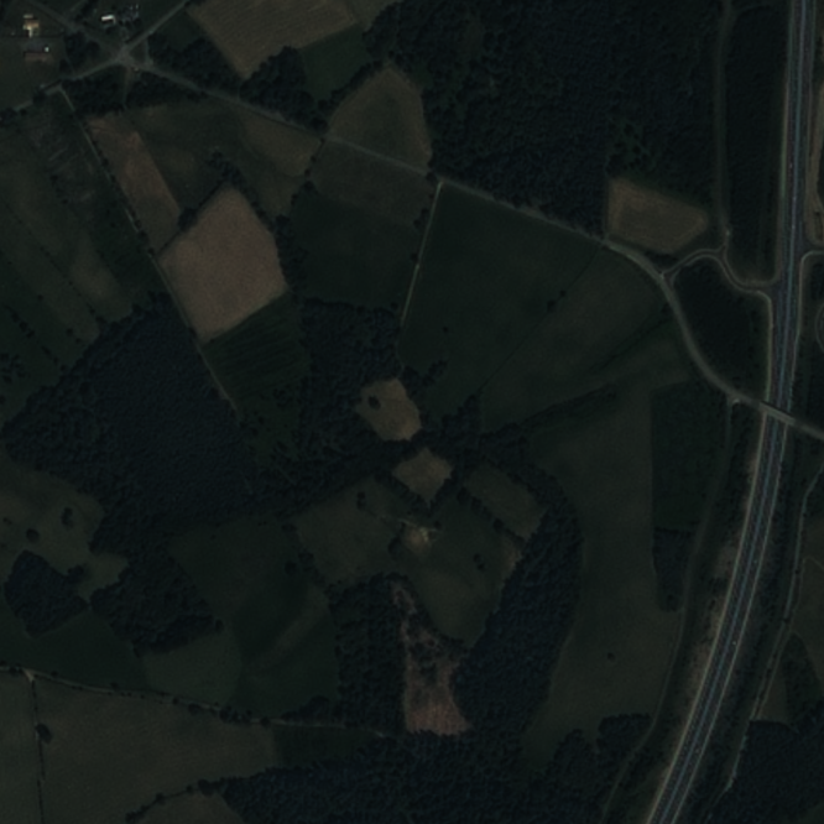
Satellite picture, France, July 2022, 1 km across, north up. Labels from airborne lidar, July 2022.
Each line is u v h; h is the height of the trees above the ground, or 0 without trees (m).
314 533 0
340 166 0
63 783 0
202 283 0
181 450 19
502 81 11
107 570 0
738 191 9
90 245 0
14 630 0
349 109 0
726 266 0
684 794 0
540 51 18
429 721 0
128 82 0
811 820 0
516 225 0
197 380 21
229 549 0
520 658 22
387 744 16
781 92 0
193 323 0
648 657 0
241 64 0
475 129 16
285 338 0
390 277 0
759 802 18
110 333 16
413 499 8
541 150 8
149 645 20
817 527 0
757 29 11
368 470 13
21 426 13
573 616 9
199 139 0
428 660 9
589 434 0
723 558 0
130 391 18
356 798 27
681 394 0
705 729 0
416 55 8
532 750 0
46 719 0
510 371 0
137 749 0
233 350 0
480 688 26
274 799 25
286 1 0
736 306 7
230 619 0
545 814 20
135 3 0
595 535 0
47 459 17
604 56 23
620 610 0
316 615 0
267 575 0
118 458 17
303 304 14
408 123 0
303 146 0
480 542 0
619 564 0
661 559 14
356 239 0
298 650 0
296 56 14
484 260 0
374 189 0
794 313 0
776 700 0
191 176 0
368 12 0
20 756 0
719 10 23
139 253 7
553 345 0
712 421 0
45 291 0
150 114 0
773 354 0
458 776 18
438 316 0
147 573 15
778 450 0
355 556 0
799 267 0
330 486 18
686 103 19
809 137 0
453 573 0
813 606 0
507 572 0
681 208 0
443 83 9
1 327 0
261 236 0
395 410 0
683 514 0
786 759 19
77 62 18
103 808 0
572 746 13
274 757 0
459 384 0
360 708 17
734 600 0
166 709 0
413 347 0
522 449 16
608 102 11
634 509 0
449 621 0
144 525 16
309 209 0
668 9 25
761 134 11
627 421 0
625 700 0
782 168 0
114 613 14
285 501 16
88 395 19
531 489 18
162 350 22
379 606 14
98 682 0
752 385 0
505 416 0
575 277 0
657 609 0
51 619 20
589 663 0
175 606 16
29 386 0
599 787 13
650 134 19
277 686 0
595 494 0
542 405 0
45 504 0
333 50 0
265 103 17
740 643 0
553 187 18
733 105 11
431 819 23
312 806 28
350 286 0
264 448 0
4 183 0
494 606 0
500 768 10
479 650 13
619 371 0
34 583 28
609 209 0
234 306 0
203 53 14
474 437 16
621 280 0
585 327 0
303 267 7
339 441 7
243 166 0
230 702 0
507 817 17
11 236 0
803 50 0
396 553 11
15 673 9
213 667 0
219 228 0
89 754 0
